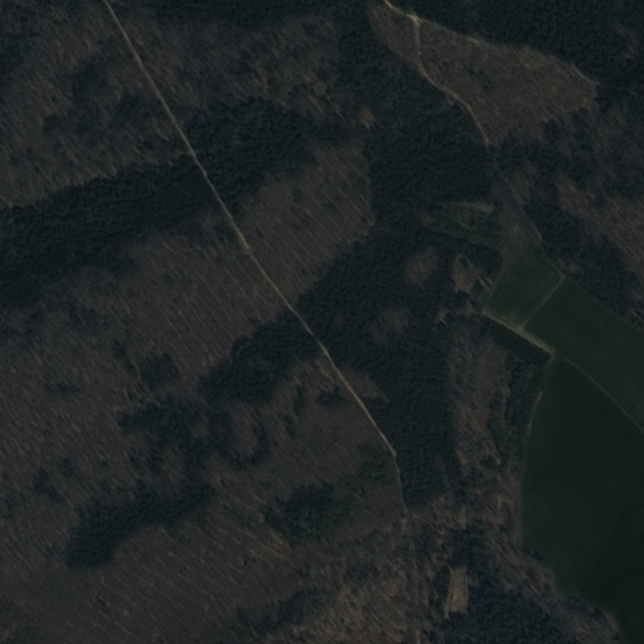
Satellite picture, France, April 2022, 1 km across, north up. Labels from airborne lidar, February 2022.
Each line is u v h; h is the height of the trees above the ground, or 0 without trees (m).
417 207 19
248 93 22
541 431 0
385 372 24
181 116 24
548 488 0
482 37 17
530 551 0
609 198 25
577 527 0
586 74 30
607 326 0
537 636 25
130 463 26
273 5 25
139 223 20
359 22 24
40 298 12
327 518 10
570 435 0
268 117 24
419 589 19
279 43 21
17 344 7
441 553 12
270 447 22
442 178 16
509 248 0
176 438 31
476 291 0
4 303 19
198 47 26
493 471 9
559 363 0
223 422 29
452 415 32
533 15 23
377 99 28
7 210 26
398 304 21
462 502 27
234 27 17
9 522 23
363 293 24
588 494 0
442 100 27
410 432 22
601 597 0
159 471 26
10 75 20
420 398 29
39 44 29
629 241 25
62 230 20
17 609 9
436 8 24
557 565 0
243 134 16
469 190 16
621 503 0
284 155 29
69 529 26
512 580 27
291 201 0
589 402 0
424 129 23
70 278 18
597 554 0
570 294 0
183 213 21
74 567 27
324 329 24
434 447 24
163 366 22
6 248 14
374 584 25
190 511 20
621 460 0
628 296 25
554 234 29
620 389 0
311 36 22
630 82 23
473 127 22
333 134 30
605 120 20
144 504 31
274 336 28
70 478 22
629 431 0
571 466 0
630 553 0
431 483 25
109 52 26
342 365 24
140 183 15
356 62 24
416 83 24
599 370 0
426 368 27
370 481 12
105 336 28
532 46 34
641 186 25
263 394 26
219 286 0
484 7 16
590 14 34
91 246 16
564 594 0
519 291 0
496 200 28
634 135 23
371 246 18
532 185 26
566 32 35
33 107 29
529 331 0
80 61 27
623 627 0
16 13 26
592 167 25
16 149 20
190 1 27
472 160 17
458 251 24
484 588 9
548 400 0
